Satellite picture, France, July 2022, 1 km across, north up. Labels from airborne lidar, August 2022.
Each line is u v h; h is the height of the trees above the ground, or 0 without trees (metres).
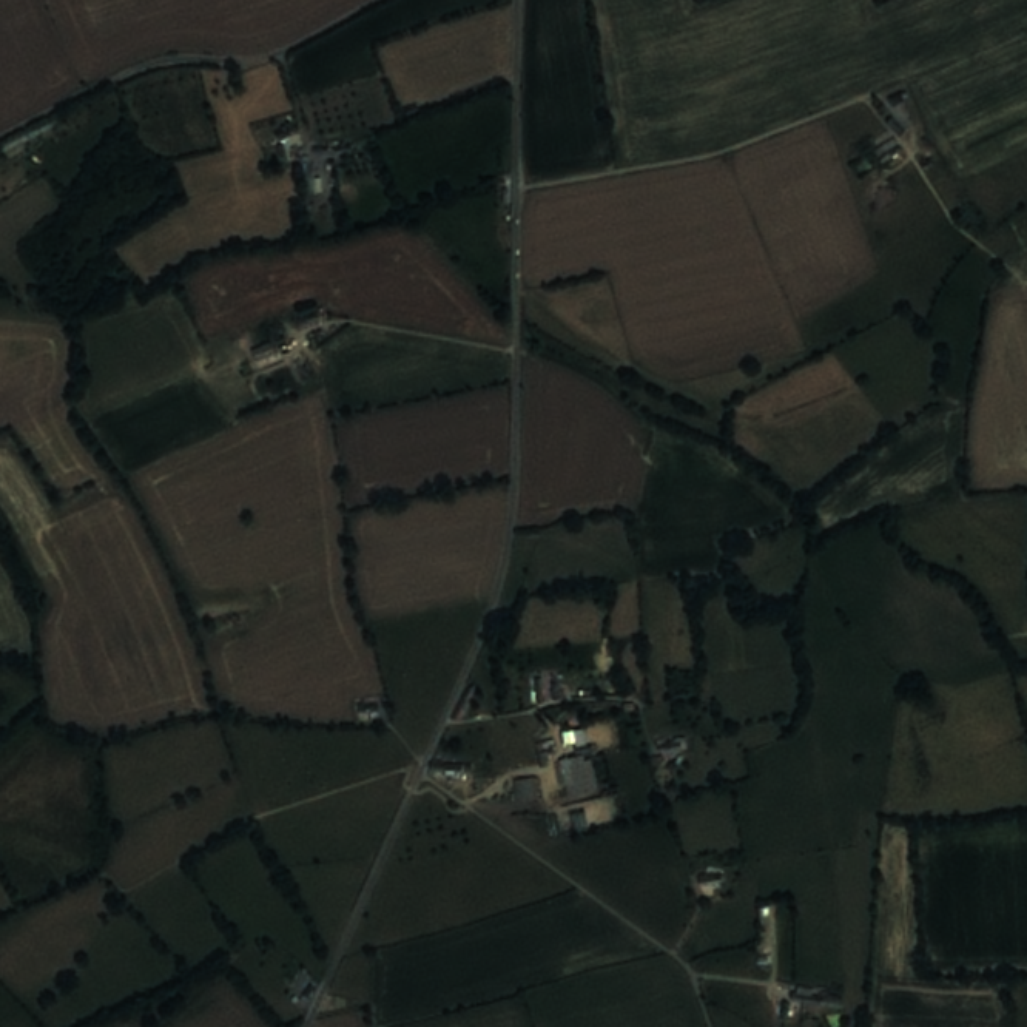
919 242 0
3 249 0
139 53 0
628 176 0
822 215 0
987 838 0
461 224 0
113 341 0
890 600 0
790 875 0
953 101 0
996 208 0
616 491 0
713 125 0
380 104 0
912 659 0
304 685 0
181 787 0
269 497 0
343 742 0
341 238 9
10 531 6
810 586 7
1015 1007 20
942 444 0
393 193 18
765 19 0
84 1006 0
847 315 0
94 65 0
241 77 16
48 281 8
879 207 0
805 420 0
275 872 12
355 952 0
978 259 0
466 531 0
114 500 0
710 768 0
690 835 0
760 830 0
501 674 13
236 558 0
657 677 0
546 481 0
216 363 0
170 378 0
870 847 0
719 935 0
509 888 0
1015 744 0
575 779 0
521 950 0
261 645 0
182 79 6
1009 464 0
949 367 12
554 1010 0
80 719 0
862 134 0
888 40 0
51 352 0
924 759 0
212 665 0
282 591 0
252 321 0
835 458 0
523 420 0
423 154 0
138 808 0
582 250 0
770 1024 0
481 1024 0
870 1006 5
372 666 0
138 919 12
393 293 0
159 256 0
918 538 0
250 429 0
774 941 0
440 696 0
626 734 6
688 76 0
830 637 0
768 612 24
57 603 0
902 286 0
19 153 0
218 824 0
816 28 0
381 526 0
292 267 0
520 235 0
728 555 14
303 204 13
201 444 0
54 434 0
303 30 0
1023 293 0
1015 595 0
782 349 0
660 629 0
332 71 0
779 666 0
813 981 0
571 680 0
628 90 0
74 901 0
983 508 0
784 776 0
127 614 0
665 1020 0
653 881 0
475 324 0
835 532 11
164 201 8
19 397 0
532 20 0
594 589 25
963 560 7
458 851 0
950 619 0
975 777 0
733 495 0
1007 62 0
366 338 0
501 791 0
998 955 0
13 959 0
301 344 0
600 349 0
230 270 0
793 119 0
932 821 18
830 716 0
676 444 0
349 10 0
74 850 0
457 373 0
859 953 0
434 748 0
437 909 0
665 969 0
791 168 0
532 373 0
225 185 0
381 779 0
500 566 0
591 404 0
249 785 0
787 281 0
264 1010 12
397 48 0
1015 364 0
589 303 0
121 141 6
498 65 0
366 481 0
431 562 0
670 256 0
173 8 0
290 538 0
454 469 0
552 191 0
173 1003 11
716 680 0
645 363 0
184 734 0
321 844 0
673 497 0
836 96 0
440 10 0
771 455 0
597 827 8
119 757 0
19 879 0
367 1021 9
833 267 0
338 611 0
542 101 0
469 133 0
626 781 0
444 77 0
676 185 0
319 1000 0
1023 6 0
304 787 0
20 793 0
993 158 0
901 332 0
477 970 0
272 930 0
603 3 0
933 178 0
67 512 0
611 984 0
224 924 15
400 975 0
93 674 0
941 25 0
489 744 0
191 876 13
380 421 0
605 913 0
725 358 0
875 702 0
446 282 0
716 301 0
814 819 0
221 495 0
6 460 0
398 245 0
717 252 0
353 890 0
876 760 0
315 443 0
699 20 0
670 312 0
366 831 0
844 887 0
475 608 0
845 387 0
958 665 0
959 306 0
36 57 0
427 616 0
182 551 0
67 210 10
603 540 0
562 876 0
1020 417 0
